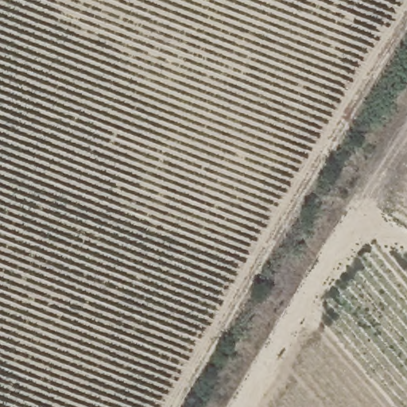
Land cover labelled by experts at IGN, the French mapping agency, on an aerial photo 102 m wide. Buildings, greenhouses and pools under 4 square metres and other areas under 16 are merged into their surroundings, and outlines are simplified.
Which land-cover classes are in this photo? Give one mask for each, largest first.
<instances>
[{"label":"vineyard","instance_id":"1","mask_svg":"<svg viewBox=\"0 0 407 407\"><path fill-rule=\"evenodd\" d=\"M407 38V0H0V407H181L184 397L188 396L191 386L202 374L203 367L210 361V356L215 353L219 337L229 329L240 310V304L250 297V294L254 277L259 273L272 254L273 248L286 237L289 227L299 216L305 196L312 191L320 170L326 164V157L342 143L370 89L377 83L378 76L382 75L383 68L393 57L397 46ZM356 200L374 199L377 207L382 210L385 223L393 221L397 226L407 229V129L404 126L399 127L396 138L386 146L385 154L378 161L374 173L369 175L362 188L355 186L353 196ZM328 324L324 331L339 343V347L351 362H355L362 374L367 372L372 375L370 383L375 386V390L385 397L386 402H396L399 407H407V243L396 250L391 245H380L374 238L362 246L356 253L353 264L348 266L339 280L335 281V285L323 294L321 318Z\"/></svg>","mask_w":407,"mask_h":407},{"label":"plowed land","instance_id":"2","mask_svg":"<svg viewBox=\"0 0 407 407\"><path fill-rule=\"evenodd\" d=\"M374 238L380 245H391L396 250L407 243V229L397 226L393 221L385 223L382 210L377 207L374 199L356 200L353 196L347 205V215L342 216L340 223L335 226L334 232L321 248L315 269L300 281L297 293L281 313L275 328L270 332L269 339L259 350L258 358L254 359L250 370L238 386L237 393L227 402L226 407H399L396 402H386L385 397L375 390V386L370 383L372 375L367 372L362 374L355 362H351L339 347V343L324 331L328 324L321 318L323 294L335 285V281L339 280L348 266L353 264L356 253L362 246Z\"/></svg>","mask_w":407,"mask_h":407},{"label":"herbaceous vegetation","instance_id":"3","mask_svg":"<svg viewBox=\"0 0 407 407\"><path fill-rule=\"evenodd\" d=\"M397 108H391L390 116L382 114L380 122L370 126V132L366 134L361 146L345 161L339 180L335 181L329 196H323L321 199L323 203L313 227L305 226L299 216L289 227L286 237L273 248L272 254L259 273L262 278L273 280L272 291L262 302H258L250 294V297L240 304V310L229 329L237 339V358L227 359L224 369L219 370V386L211 393L210 402L205 407H226L227 402L237 393L238 386L250 370L254 359L258 358L259 350L269 339L270 332L275 328L281 313L297 293L300 281L315 269L321 248L334 232L335 226L340 223L342 216L347 215V205L353 196L355 186L362 188L369 175L374 173L378 161L385 154L386 146L396 138L399 127L404 126L407 129V94L404 91L397 92Z\"/></svg>","mask_w":407,"mask_h":407},{"label":"brushwood","instance_id":"4","mask_svg":"<svg viewBox=\"0 0 407 407\"><path fill-rule=\"evenodd\" d=\"M404 91L407 94V38L397 46L393 57L383 68L382 75L378 76L377 83L370 89L342 143L326 157V164L320 170L312 191L305 196L299 216L305 226L313 227L323 203L321 199L323 196H329L335 181L339 180L345 161L361 146L366 134L370 132V126L380 122L382 114L390 116L391 108H397V92ZM273 280L262 278L259 273L254 277L250 294L258 302H262L272 291ZM237 339L229 329L219 337L215 353L210 356V361L203 367L202 374L191 386L188 396L184 397L181 407H205L210 402L211 393L219 386V370L224 369L227 359L237 358Z\"/></svg>","mask_w":407,"mask_h":407}]
</instances>
